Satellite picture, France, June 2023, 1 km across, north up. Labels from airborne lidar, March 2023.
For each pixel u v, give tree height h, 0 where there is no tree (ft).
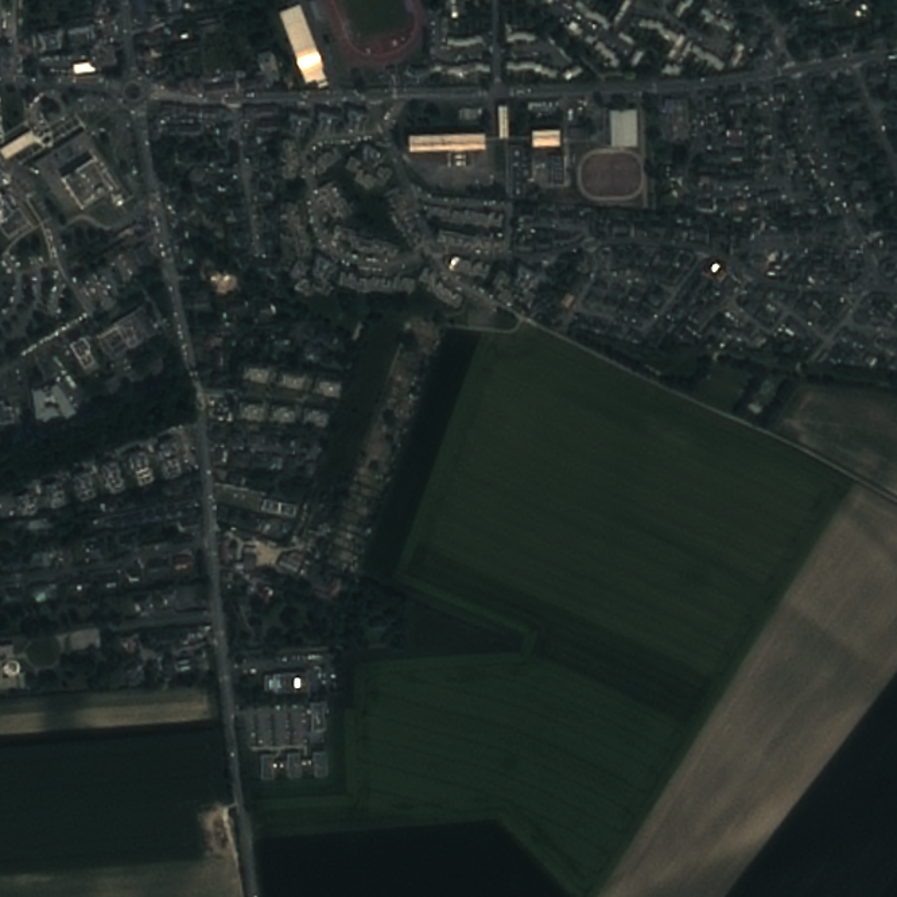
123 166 29
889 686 0
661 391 0
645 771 0
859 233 0
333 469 0
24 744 0
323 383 0
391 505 0
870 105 0
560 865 0
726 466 0
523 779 0
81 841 0
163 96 0
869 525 0
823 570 0
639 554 0
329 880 0
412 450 0
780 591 0
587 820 0
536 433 0
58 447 60
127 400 72
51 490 0
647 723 0
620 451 0
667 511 0
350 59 0
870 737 0
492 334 0
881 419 0
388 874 0
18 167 0
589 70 31
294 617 39
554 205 0
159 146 51
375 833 0
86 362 0
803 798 0
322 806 0
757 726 0
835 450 0
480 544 0
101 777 0
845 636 0
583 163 0
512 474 0
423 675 0
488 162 0
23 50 0
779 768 0
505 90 0
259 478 46
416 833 0
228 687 0
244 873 19
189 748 0
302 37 0
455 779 0
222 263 49
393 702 0
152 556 0
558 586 0
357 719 0
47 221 0
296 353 32
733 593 0
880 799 0
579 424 0
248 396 0
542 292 38
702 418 0
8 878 0
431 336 0
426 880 0
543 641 0
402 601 42
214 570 0
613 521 0
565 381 0
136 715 0
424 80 0
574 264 20
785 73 0
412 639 0
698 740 0
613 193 0
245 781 19
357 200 25
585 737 0
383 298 53
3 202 0
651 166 39
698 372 24
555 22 29
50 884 0
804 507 0
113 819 0
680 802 0
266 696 32
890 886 0
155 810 0
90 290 0
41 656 0
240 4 20
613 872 0
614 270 0
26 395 0
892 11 53
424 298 0
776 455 0
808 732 0
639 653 0
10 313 0
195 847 0
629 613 0
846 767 0
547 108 0
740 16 20
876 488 0
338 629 36
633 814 0
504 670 0
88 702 0
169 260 0
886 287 0
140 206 0
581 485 0
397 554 0
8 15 0
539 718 0
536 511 0
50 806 0
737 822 0
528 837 0
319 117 0
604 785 0
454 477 0
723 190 0
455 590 0
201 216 0
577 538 0
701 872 0
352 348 32
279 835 0
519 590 0
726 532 0
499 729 0
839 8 0
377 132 0
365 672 0
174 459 0
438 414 0
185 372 58
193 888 0
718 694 0
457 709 0
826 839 0
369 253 21
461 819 0
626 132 0
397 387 0
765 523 0
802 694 0
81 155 0
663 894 0
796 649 0
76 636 0
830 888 0
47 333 25
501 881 0
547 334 0
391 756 0
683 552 0
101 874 0
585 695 0
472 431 0
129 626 0
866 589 0
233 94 0
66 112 0
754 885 0
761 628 0
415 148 0
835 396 0
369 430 0
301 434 43
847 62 0
